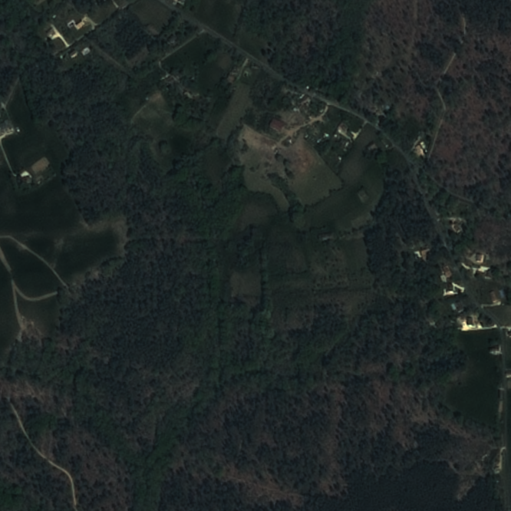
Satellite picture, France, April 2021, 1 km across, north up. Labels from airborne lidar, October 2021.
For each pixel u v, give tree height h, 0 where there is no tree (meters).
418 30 10
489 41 7
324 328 21
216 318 17
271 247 7
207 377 17
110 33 14
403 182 8
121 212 13
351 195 0
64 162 0
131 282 19
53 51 17
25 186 13
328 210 0
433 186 17
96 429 22
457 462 15
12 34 11
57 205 0
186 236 12
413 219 21
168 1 14
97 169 9
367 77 0
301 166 0
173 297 17
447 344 20
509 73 11
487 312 0
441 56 17
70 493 12
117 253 0
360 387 28
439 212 14
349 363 16
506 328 0
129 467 21
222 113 0
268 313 22
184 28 8
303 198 0
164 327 20
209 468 16
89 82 17
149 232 15
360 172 0
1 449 13
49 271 0
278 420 26
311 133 0
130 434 24
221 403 11
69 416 12
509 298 18
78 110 13
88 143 25
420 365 13
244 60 11
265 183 0
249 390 14
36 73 19
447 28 11
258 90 5
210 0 0
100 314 17
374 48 15
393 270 16
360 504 13
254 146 0
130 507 20
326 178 0
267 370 17
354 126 0
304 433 20
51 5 13
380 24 15
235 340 13
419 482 13
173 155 0
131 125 8
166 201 18
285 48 14
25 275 0
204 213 21
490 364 0
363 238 0
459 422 19
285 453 20
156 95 0
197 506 24
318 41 23
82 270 0
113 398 25
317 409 22
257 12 17
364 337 19
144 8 0
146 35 6
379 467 22
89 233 0
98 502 18
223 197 14
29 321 0
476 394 0
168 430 21
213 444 16
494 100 11
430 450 24
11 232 0
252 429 25
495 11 24
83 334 20
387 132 22
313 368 14
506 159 15
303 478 19
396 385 12
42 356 22
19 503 24
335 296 7
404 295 20
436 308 18
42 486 23
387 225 17
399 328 6
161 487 18
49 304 0
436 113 20
